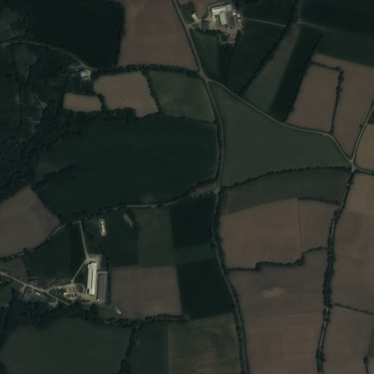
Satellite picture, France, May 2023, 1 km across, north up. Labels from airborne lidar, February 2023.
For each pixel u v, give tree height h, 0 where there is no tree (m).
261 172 0
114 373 0
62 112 7
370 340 0
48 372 0
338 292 0
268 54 10
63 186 0
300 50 0
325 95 0
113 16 0
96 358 0
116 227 0
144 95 0
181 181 0
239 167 0
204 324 0
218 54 0
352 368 0
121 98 0
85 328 0
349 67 0
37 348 0
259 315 0
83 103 0
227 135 0
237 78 0
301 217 0
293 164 0
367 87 0
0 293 0
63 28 0
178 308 0
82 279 0
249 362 0
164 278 0
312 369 0
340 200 0
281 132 0
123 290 0
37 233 0
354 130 0
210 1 0
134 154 0
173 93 0
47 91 0
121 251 0
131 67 9
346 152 0
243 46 0
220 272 0
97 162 0
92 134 0
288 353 0
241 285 0
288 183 0
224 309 0
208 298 0
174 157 0
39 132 13
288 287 0
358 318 0
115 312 0
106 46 0
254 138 0
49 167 0
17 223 0
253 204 0
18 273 0
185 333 0
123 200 0
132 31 0
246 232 0
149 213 0
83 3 0
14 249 0
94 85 0
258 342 0
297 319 0
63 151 0
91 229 0
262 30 0
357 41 0
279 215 0
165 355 0
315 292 0
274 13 0
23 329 0
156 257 0
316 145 0
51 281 0
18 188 23
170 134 0
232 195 0
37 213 0
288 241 0
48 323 17
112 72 11
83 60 6
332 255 11
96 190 0
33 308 7
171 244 0
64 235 0
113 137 0
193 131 0
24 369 0
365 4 0
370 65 0
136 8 0
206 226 0
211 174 0
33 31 0
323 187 0
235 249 0
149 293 0
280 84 0
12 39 6
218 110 0
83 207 0
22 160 18
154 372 0
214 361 0
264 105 0
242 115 0
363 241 0
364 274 0
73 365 0
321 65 6
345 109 0
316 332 0
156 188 0
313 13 0
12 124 0
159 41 0
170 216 0
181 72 13
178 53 0
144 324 11
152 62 0
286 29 12
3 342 17
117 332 0
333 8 0
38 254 0
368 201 0
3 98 0
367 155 0
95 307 16
